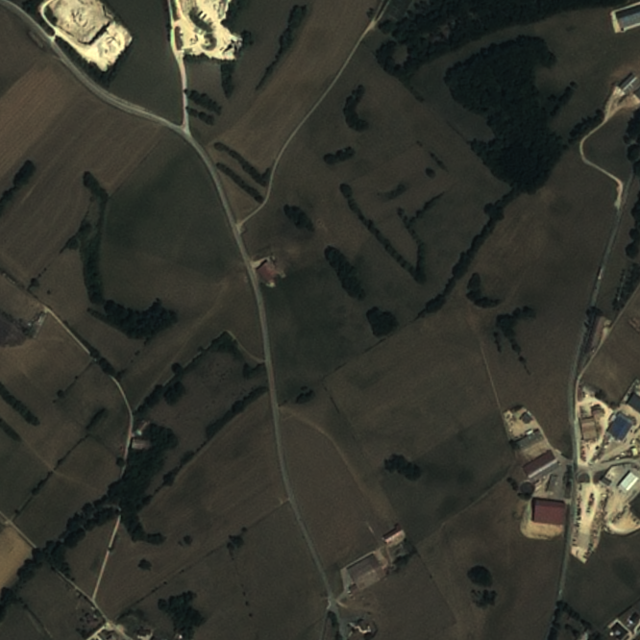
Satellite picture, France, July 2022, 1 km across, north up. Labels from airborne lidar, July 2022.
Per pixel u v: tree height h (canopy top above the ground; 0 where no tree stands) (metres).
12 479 0
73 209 0
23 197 0
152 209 0
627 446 0
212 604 0
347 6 0
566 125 0
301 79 0
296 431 0
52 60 0
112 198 0
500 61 22
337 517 0
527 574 0
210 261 0
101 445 0
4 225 0
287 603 0
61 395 10
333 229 0
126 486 14
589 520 0
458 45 17
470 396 0
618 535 0
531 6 21
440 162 7
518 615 0
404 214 16
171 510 0
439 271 0
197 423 0
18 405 12
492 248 0
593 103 0
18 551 0
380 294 0
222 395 0
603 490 0
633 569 0
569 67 0
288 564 0
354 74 0
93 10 0
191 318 0
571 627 7
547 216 0
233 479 0
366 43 0
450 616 0
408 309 0
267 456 0
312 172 0
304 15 6
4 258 0
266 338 0
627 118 0
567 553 0
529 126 18
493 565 0
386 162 0
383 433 0
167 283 0
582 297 0
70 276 0
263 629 0
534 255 0
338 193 0
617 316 0
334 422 0
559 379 0
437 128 0
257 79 0
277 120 0
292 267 0
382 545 0
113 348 0
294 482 0
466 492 0
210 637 0
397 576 0
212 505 0
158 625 0
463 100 16
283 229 0
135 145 0
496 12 21
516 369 0
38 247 0
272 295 0
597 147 0
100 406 0
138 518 9
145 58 0
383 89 0
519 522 0
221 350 10
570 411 0
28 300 0
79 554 0
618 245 0
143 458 8
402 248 0
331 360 0
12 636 0
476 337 0
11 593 17
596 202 0
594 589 0
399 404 0
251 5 0
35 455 0
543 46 17
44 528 0
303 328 0
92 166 0
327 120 0
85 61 6
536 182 20
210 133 0
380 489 0
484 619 0
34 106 0
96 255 8
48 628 0
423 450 0
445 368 0
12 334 0
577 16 0
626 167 0
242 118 0
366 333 0
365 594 0
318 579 0
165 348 0
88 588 0
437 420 0
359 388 0
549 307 0
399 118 0
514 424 0
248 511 0
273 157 0
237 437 0
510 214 0
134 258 0
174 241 0
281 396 0
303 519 0
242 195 0
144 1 0
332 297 0
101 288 8
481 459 0
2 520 0
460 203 0
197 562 0
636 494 0
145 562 12
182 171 0
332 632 0
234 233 0
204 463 0
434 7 15
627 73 0
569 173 0
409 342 0
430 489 0
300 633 0
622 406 0
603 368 0
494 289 0
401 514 0
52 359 0
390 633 0
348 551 0
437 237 0
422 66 14
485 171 0
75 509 0
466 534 0
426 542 0
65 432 0
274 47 0
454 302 0
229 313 0
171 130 0
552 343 0
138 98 0
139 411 10
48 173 0
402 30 17
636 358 0
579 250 0
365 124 10
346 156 13
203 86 0
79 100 0
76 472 0
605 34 0
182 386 15
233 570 0
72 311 0
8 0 0
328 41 0
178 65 0
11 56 0
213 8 0
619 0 16
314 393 7
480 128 0
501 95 22
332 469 0
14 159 0
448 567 0
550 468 0
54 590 0
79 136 0
